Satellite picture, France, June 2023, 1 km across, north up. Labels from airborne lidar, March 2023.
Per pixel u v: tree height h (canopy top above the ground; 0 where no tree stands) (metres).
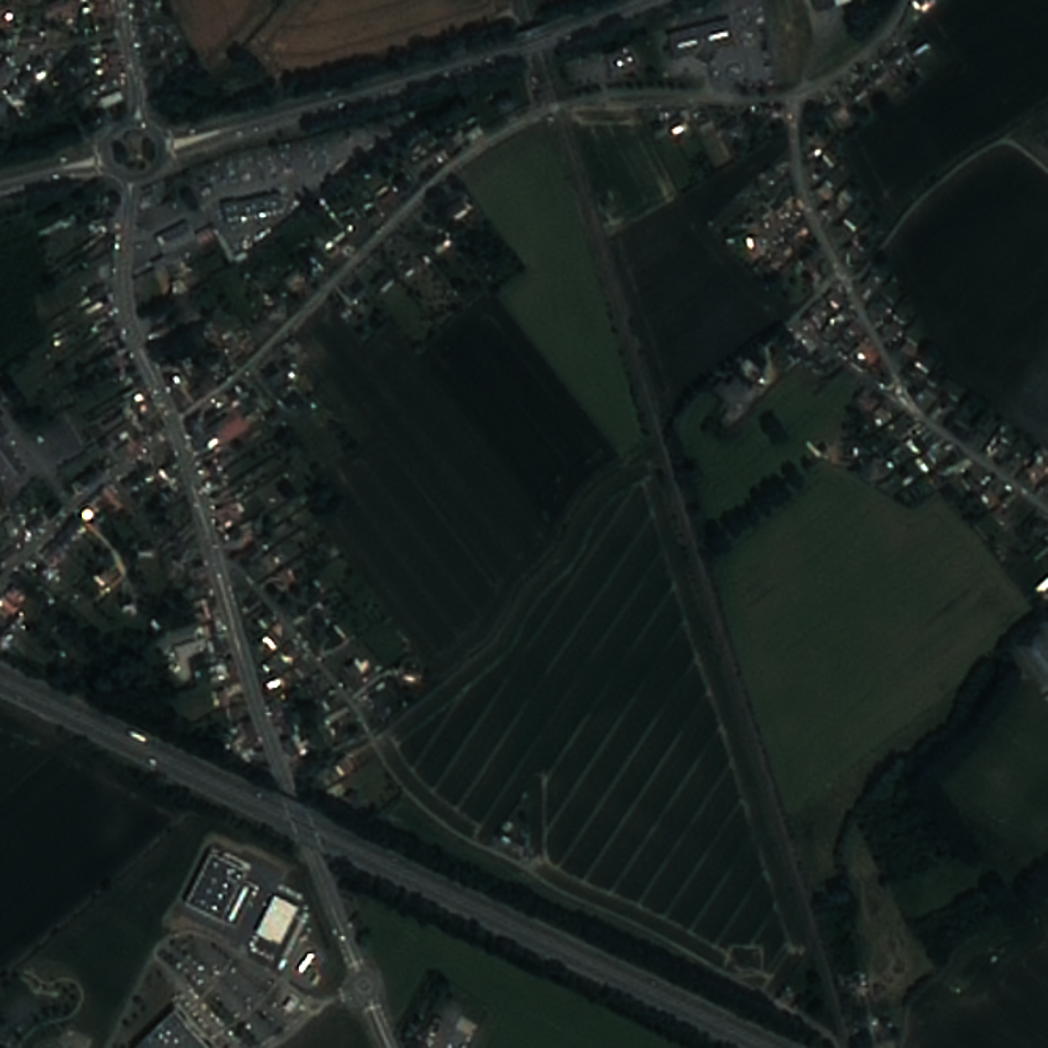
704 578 0
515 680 0
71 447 0
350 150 0
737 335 0
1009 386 0
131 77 0
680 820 0
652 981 0
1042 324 0
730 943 0
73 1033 0
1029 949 0
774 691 0
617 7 0
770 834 0
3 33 13
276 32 0
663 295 0
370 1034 0
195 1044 0
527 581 0
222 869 0
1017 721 0
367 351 0
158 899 0
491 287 8
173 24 0
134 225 0
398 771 0
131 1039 0
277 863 0
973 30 0
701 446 0
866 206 6
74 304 0
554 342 0
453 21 0
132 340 0
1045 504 0
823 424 0
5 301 0
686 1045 8
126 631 6
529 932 0
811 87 0
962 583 0
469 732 0
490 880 8
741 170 0
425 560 0
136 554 6
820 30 0
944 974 0
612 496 0
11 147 8
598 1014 0
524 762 0
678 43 0
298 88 14
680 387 0
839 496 0
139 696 23
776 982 0
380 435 0
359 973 0
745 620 0
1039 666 0
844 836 6
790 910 0
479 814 0
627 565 0
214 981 0
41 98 17
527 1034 0
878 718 0
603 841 0
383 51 0
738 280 0
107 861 0
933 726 0
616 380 0
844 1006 6
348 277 0
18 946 0
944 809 30
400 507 0
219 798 0
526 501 0
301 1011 0
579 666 0
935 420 0
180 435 0
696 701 0
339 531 0
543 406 0
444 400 0
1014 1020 0
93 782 0
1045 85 0
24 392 0
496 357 0
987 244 0
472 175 0
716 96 0
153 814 0
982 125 0
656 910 0
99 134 0
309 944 0
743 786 0
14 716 0
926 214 0
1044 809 0
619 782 0
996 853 0
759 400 0
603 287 0
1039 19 0
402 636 0
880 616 0
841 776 0
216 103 9
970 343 0
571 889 0
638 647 0
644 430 7
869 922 0
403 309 0
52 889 0
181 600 19
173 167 0
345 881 7
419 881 0
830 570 0
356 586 0
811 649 0
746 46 0
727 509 0
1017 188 0
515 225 0
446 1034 0
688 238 0
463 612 0
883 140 0
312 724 9
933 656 0
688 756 0
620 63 0
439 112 12
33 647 0
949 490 10
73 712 0
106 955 0
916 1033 0
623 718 0
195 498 0
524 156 0
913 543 0
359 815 18
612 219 0
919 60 0
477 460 0
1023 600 0
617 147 0
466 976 0
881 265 14
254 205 0
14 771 0
